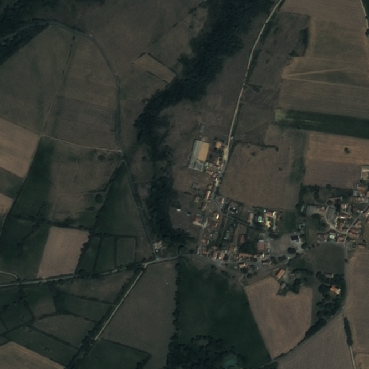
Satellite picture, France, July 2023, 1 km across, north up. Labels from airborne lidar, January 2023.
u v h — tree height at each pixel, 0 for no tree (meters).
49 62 0
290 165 0
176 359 25
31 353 0
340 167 0
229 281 0
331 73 0
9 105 0
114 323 0
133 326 0
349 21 0
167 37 0
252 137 0
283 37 0
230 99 0
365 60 0
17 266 0
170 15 0
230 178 0
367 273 0
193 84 15
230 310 0
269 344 0
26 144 0
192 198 0
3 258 0
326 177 0
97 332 21
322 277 18
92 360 0
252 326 0
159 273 0
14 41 10
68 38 0
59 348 0
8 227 0
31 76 0
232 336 0
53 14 0
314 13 0
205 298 0
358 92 0
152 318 0
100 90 0
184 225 0
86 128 0
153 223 13
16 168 0
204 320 0
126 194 0
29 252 0
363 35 0
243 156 0
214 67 15
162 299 0
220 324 0
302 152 0
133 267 14
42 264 0
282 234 0
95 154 0
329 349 0
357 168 0
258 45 0
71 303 0
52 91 0
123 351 0
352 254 0
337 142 0
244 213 0
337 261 0
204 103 0
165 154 8
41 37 0
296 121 0
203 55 17
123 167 8
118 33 0
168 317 0
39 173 0
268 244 0
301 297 0
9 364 0
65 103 0
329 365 0
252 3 8
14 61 0
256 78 0
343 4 0
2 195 0
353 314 0
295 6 0
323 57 0
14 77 0
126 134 0
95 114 0
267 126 0
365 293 0
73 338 0
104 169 0
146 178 0
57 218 0
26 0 26
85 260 0
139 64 0
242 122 0
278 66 0
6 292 0
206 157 0
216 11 8
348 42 0
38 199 0
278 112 0
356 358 0
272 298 0
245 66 0
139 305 0
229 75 0
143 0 0
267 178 0
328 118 0
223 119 0
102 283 0
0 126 0
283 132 0
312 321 0
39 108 0
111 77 0
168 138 0
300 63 0
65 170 0
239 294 0
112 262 0
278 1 0
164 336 0
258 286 0
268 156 0
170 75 0
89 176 0
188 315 0
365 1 0
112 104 0
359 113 0
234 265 0
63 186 0
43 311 0
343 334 0
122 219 0
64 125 0
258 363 0
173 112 0
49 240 0
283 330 0
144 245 0
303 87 0
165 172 15
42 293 0
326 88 0
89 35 0
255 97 0
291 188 0
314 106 0
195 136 0
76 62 0
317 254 0
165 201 6
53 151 0
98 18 0
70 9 0
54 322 0
